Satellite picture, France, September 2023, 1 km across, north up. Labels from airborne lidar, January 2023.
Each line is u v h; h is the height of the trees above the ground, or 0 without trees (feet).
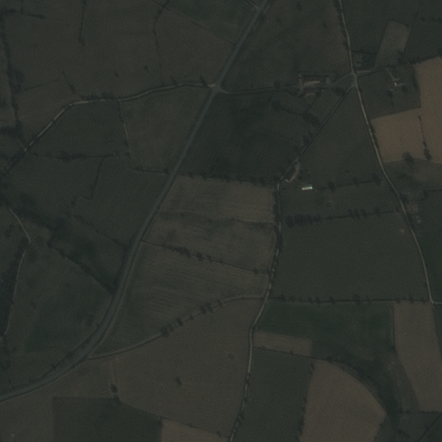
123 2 0
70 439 0
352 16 0
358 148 0
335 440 0
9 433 0
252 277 0
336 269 0
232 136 0
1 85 0
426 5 0
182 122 0
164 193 0
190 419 0
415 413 0
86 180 0
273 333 0
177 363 0
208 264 0
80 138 0
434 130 0
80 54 0
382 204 0
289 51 0
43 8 0
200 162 0
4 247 0
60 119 0
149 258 0
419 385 0
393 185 0
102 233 0
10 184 0
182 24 0
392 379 0
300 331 0
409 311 0
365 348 0
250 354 0
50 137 0
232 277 0
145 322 0
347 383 0
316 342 0
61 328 0
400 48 0
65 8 0
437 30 0
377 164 0
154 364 0
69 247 0
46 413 0
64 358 0
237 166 0
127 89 0
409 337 0
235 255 0
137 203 0
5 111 0
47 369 0
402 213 0
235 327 0
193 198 0
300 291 0
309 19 0
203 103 0
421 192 0
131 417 0
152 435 0
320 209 0
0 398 0
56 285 0
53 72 0
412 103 0
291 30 0
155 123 0
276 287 0
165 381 0
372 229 0
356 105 0
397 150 0
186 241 0
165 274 0
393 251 0
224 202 0
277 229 35
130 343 0
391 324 0
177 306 0
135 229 0
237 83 0
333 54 0
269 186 0
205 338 0
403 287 0
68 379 0
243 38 0
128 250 30
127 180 0
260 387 0
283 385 0
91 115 0
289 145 0
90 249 0
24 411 0
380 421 0
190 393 0
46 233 0
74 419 0
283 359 0
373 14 0
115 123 0
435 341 0
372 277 0
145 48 0
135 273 0
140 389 0
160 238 0
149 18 0
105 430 0
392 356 0
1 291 52
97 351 0
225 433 0
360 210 0
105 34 0
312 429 0
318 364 0
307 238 0
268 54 0
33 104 0
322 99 0
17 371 0
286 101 0
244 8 0
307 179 0
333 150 0
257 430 0
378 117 0
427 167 0
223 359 0
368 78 0
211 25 0
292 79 0
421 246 0
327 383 0
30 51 0
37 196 0
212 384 0
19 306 0
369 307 0
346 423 0
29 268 0
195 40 0
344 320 0
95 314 0
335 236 0
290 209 0
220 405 0
